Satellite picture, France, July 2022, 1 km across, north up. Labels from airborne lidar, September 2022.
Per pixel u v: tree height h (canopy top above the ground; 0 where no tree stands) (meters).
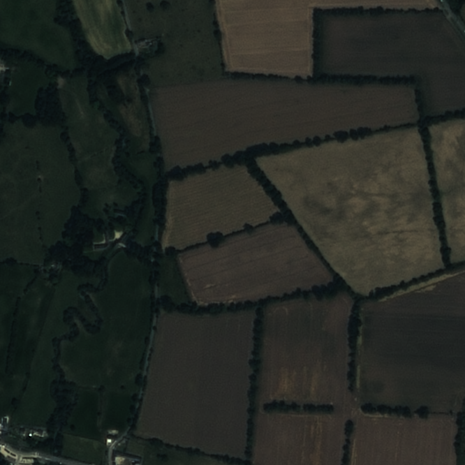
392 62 0
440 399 0
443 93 0
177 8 0
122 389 8
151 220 0
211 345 0
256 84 0
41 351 0
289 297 13
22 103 0
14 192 0
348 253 0
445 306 0
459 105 0
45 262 10
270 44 0
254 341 14
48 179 0
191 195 0
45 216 0
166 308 23
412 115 0
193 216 0
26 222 0
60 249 26
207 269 0
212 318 0
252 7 0
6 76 7
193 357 0
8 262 16
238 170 0
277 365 0
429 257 0
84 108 0
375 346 0
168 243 0
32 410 0
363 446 0
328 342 0
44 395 0
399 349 0
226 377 0
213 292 0
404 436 0
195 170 17
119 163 17
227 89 0
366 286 0
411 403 0
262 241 0
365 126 0
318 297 28
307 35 0
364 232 0
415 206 0
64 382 14
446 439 0
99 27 0
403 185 0
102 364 0
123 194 0
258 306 8
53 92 15
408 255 0
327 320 0
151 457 0
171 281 0
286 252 0
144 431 0
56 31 0
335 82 20
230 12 0
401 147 0
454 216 0
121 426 0
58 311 0
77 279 0
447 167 0
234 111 0
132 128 0
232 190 0
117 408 0
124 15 9
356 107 0
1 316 0
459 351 0
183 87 0
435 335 0
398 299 0
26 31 0
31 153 0
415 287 0
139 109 0
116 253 0
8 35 0
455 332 0
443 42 0
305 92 0
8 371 10
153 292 7
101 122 0
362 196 0
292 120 0
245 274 0
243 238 0
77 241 23
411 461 0
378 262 0
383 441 0
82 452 0
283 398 0
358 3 0
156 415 0
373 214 0
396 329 0
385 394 0
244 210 0
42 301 0
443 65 0
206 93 0
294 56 0
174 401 0
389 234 0
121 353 0
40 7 0
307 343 0
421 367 0
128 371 0
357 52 0
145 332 0
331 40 0
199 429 0
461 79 0
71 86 0
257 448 0
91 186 0
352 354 12
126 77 0
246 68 0
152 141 8
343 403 0
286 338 0
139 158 0
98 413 8
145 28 0
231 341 0
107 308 0
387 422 0
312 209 0
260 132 0
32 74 0
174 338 0
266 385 0
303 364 0
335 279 14
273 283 0
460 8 7
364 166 0
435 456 0
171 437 0
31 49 0
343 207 0
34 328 0
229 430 0
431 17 0
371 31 0
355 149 0
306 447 0
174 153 0
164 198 19
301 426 0
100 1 0
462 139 0
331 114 0
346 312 0
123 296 0
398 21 0
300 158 0
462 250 0
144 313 0
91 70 19
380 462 0
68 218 0
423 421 0
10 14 0
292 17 0
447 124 0
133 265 0
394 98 0
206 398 0
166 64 0
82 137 0
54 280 16
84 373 0
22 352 0
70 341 9
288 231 0
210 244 20
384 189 0
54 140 0
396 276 0
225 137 0
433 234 0
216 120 0
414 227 0
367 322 0
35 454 0
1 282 0
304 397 0
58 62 0
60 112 33
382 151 0
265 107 0
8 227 0
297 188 0
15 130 0
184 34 0
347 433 13
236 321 0
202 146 0
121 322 0
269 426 0
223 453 0
